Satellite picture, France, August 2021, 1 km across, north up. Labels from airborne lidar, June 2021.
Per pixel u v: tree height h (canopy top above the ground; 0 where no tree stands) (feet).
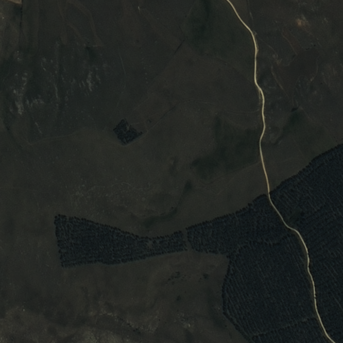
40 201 0
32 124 0
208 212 0
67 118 0
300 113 0
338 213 42
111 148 0
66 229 43
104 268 0
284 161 0
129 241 38
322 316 32
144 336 0
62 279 0
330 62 0
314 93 0
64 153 0
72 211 0
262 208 52
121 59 0
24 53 0
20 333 0
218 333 0
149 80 0
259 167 0
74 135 0
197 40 0
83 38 0
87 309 0
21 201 0
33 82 0
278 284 38
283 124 0
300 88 0
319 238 38
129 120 0
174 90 0
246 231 43
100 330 0
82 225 38
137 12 0
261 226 52
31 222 0
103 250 42
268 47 0
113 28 0
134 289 0
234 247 38
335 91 0
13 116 0
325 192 40
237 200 0
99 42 0
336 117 0
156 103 0
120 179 0
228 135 0
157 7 0
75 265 31
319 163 40
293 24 0
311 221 42
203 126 0
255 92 0
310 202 47
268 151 0
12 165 0
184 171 0
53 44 0
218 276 0
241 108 0
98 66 0
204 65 0
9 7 0
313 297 0
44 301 0
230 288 41
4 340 0
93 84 0
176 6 0
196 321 0
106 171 0
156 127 0
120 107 0
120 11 0
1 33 0
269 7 0
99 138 0
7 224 0
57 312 0
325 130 0
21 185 0
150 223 0
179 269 0
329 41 0
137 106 0
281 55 0
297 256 37
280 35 0
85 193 0
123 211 0
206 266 0
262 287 42
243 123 0
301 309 46
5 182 0
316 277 46
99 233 38
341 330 46
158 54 0
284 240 42
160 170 0
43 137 0
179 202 0
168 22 0
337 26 0
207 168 0
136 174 0
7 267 0
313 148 0
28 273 0
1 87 0
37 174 0
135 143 0
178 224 0
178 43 0
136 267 0
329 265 38
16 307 0
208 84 0
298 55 0
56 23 0
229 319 47
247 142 0
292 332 44
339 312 56
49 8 0
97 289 0
